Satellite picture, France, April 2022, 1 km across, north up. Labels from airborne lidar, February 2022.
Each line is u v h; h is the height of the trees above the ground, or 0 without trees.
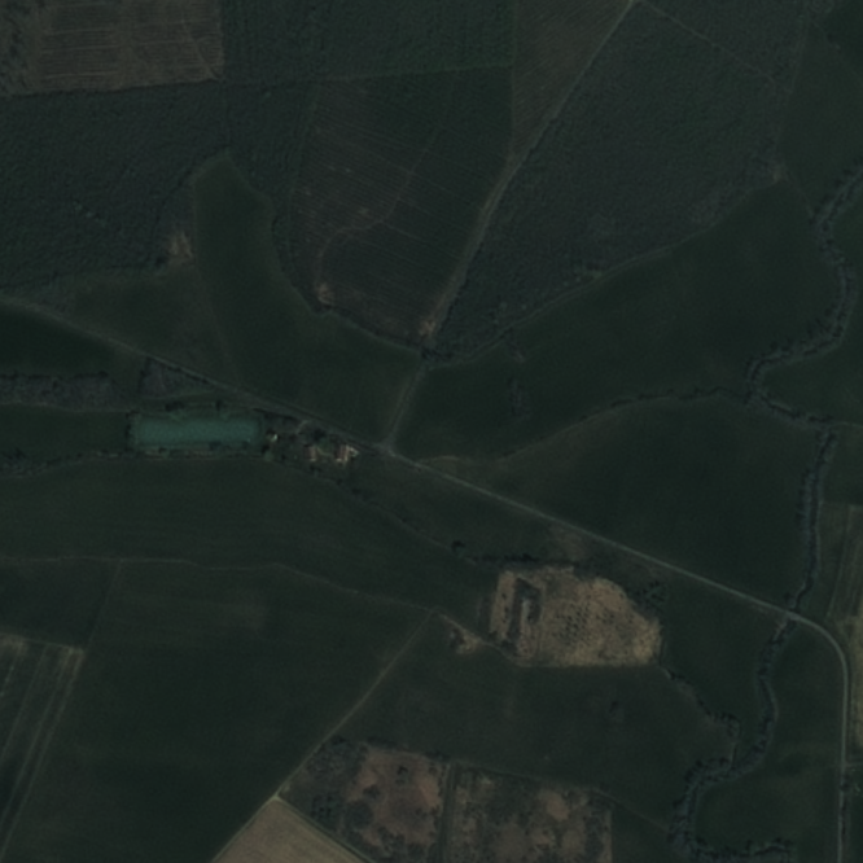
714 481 0
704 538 0
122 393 12
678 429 0
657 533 0
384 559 0
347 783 0
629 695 0
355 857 0
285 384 0
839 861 0
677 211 14
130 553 0
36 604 0
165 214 15
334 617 0
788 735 0
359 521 0
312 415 0
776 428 0
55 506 0
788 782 0
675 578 0
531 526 0
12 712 0
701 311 0
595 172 12
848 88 0
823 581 0
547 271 10
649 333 0
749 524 0
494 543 0
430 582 0
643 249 12
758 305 0
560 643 0
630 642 0
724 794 0
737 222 0
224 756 0
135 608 0
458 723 0
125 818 0
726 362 0
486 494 0
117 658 0
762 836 0
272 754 0
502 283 16
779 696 0
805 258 0
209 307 0
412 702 0
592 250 13
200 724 0
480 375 0
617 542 0
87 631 0
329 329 0
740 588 0
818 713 0
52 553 0
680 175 13
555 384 0
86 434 0
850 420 0
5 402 16
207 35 0
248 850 0
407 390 0
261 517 0
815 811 0
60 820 0
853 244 0
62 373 0
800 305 0
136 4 0
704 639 0
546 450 0
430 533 0
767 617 0
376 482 0
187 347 0
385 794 0
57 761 0
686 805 7
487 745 0
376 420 0
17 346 0
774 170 18
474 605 0
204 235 0
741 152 15
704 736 0
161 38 0
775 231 0
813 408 0
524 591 6
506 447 0
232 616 0
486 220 0
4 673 0
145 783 0
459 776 0
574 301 0
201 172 13
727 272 0
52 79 0
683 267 0
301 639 0
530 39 0
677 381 0
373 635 0
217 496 0
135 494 0
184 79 0
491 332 14
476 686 0
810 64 0
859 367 0
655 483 0
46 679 0
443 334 9
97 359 0
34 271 14
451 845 0
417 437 0
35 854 0
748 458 0
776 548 0
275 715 0
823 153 0
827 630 0
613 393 0
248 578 0
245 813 0
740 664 0
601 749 0
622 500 0
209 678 0
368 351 0
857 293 14
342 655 0
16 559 0
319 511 0
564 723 0
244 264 0
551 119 0
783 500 0
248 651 0
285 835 0
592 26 0
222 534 0
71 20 0
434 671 0
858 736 0
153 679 0
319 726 0
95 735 0
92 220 14
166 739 0
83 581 0
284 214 8
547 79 0
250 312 0
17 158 9
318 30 20
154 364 14
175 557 0
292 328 0
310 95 10
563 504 0
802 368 0
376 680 0
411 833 0
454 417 0
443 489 0
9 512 0
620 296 0
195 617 0
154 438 0
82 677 0
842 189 18
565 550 0
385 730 0
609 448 0
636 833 0
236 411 0
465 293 13
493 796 0
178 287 0
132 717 0
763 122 15
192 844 0
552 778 0
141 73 0
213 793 0
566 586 0
